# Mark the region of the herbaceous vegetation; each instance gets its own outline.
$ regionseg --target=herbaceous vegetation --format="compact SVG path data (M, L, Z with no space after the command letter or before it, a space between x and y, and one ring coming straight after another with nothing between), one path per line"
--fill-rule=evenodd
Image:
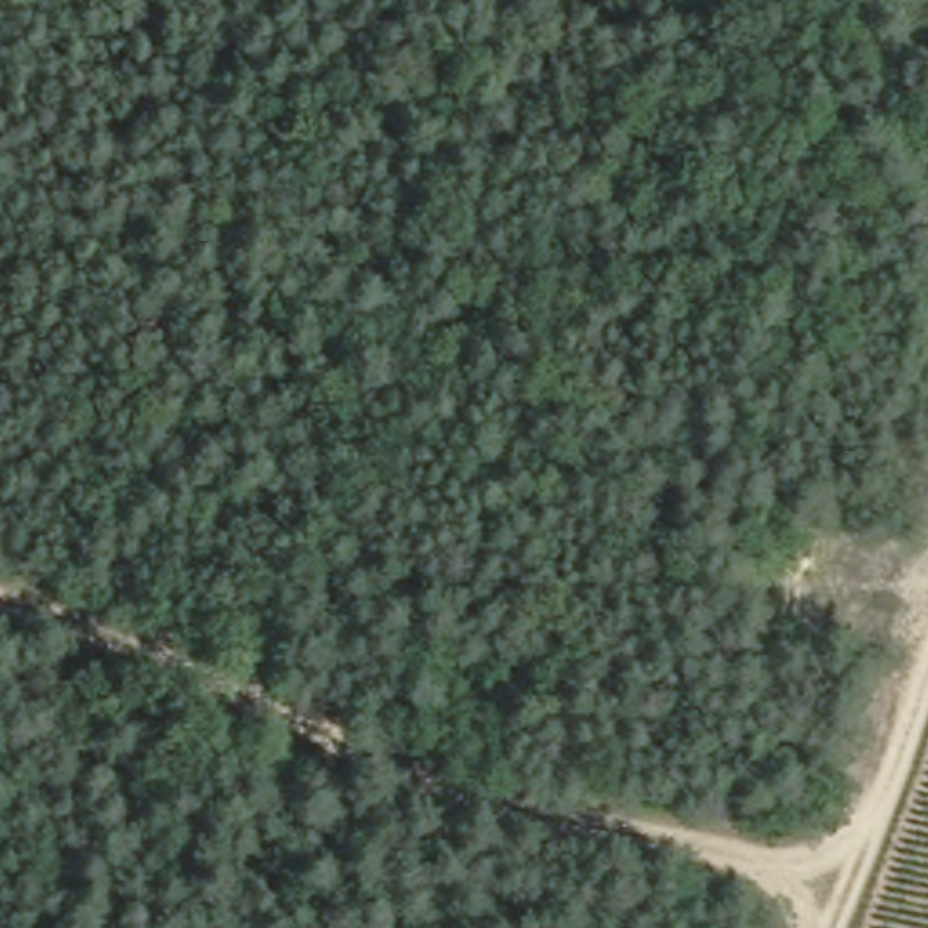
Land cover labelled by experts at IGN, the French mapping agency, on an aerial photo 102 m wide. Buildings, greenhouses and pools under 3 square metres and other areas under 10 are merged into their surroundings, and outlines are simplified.
M848 772L848 779L863 790L866 783L874 783L881 769L885 747L877 743L874 750L866 750Z
M834 631L841 620L856 627L863 638L895 638L892 649L881 653L881 663L892 674L874 689L866 707L877 736L888 743L910 660L928 634L928 537L914 533L906 540L859 544L852 533L819 537L779 584L787 595L801 598L798 609L816 627Z

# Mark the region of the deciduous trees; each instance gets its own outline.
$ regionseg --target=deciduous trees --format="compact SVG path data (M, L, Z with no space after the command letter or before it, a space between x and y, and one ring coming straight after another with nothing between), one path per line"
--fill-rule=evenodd
M305 587L326 584L323 540L337 529L334 515L319 515L305 529L276 537L279 551L297 551L294 576Z
M326 497L334 515L341 508L363 508L370 482L388 482L395 475L410 446L406 424L381 424L373 431L373 442L359 453L355 468L341 475Z
M439 750L446 761L446 783L464 787L471 794L515 794L515 772L508 769L508 758L518 740L518 714L497 714L493 703L475 703L468 682L453 671L453 645L431 642L421 663L421 678L439 682L446 689L446 703L413 703L395 711L392 721L381 725L388 754L395 747L410 747L417 754Z
M754 504L743 526L729 526L729 540L743 544L740 555L758 562L754 576L761 584L779 584L819 537L812 526L790 526L783 537L776 537L769 529L772 504Z
M228 743L228 714L218 703L218 696L203 696L196 685L189 696L189 718L174 725L145 761L149 779L192 783L207 772L210 754Z
M131 627L138 638L156 634L160 645L189 649L192 660L214 663L218 671L236 674L243 685L254 678L254 667L261 660L261 638L254 605L272 595L272 569L265 562L243 569L239 576L221 576L218 569L189 573L181 562L167 562L149 587L152 595L145 602L127 605Z
M852 801L863 790L848 779L848 772L834 769L827 790L819 790L816 801L790 801L787 816L750 823L740 837L758 845L819 841L848 823Z
M526 384L529 402L598 402L591 377L576 363L555 359L537 363Z
M359 73L348 65L315 87L301 87L294 138L323 134L323 105L344 102L359 91Z
M667 87L660 91L645 76L620 91L620 127L631 138L653 134L656 120L667 120L685 105L703 105L721 94L736 94L736 109L721 116L714 131L692 127L682 138L689 145L689 152L682 156L682 185L703 192L711 199L711 210L703 221L682 225L674 243L638 254L638 297L656 297L656 308L663 315L682 319L689 312L689 301L711 290L714 279L729 272L729 265L765 257L779 225L805 218L808 228L798 232L798 250L783 250L779 265L765 272L769 290L787 294L787 323L823 341L834 355L859 348L866 341L863 290L914 272L917 239L906 236L906 214L914 210L914 203L906 199L903 185L928 170L928 94L914 123L881 116L877 123L863 123L856 134L848 134L848 127L837 120L841 105L874 102L885 83L881 54L870 33L870 25L888 22L877 0L736 0L714 15L714 44L700 54L696 69L674 69Z

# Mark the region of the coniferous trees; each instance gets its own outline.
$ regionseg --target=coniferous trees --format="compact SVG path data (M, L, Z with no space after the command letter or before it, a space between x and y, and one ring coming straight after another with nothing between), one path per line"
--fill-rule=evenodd
M881 54L885 83L874 102L841 105L837 120L848 127L848 134L856 134L863 123L877 123L881 116L914 123L928 94L928 0L877 0L888 22L870 25L870 33Z
M729 540L729 526L743 526L754 504L772 504L769 529L776 537L783 537L790 526L812 526L819 537L852 533L859 544L906 540L914 533L928 537L928 170L903 185L906 199L914 203L914 210L906 214L906 236L917 239L914 272L863 290L866 341L859 348L834 355L823 341L787 323L787 294L769 290L765 272L779 265L783 250L798 250L798 232L808 228L805 218L779 225L765 257L729 265L729 272L714 279L711 290L689 301L689 312L682 319L663 315L656 308L656 297L638 297L638 254L674 243L682 225L703 221L711 210L711 199L703 192L682 185L682 156L689 152L689 145L682 138L692 127L714 131L721 116L736 109L736 94L721 94L703 105L685 105L667 120L656 120L653 134L631 138L620 127L620 91L645 76L660 91L667 87L674 69L696 69L700 54L714 44L714 15L736 0L0 0L0 928L790 928L794 906L787 899L765 895L754 881L696 859L692 848L682 848L663 837L645 837L624 827L627 812L642 812L671 816L674 823L692 830L740 837L750 823L787 816L790 801L816 801L819 790L827 790L834 769L848 772L866 750L874 750L877 743L885 747L888 743L877 736L866 707L874 689L892 674L881 663L881 653L892 649L895 638L863 638L856 627L841 620L834 631L816 627L798 609L801 598L787 595L779 584L761 584L754 576L758 562L740 555L743 544ZM359 73L359 91L344 102L323 105L323 134L294 138L301 87L315 87L348 65ZM591 377L598 402L529 402L526 384L537 363L555 359L576 363ZM373 431L381 424L406 424L410 446L395 475L388 482L370 482L363 508L341 508L334 515L326 497L341 475L355 468L359 453L373 442ZM294 576L297 551L279 551L276 537L305 529L319 515L334 515L337 529L323 540L326 584L305 587ZM337 721L341 743L334 754L312 743L308 736L290 740L286 718L261 714L250 696L218 696L218 703L228 714L228 743L210 754L207 772L192 783L149 779L145 761L174 725L189 718L189 696L196 685L189 671L174 663L156 663L160 645L156 634L138 638L134 649L112 649L105 642L76 645L76 631L62 624L62 616L47 613L47 605L58 598L69 609L94 609L116 598L120 609L105 624L131 627L127 605L145 602L152 595L149 587L167 562L181 562L189 573L218 569L221 576L239 576L243 569L265 562L272 569L272 595L254 605L261 638L261 660L254 667L254 678L268 689L268 700L312 707L319 718ZM493 703L497 714L518 714L518 740L508 758L508 769L515 772L515 794L471 794L464 787L446 783L446 761L439 750L417 754L410 747L395 747L388 754L381 725L392 721L395 711L413 703L446 703L446 689L439 682L421 678L421 663L431 642L453 645L453 671L468 682L475 703Z

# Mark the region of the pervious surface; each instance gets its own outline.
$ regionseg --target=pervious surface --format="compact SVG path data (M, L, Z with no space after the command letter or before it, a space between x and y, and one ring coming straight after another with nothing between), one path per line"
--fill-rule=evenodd
M754 881L765 895L787 899L794 906L790 928L848 928L928 718L928 634L910 660L888 743L885 747L881 769L874 783L866 783L863 790L852 801L848 823L819 841L758 845L740 837L692 830L674 823L671 816L642 812L627 812L624 827L645 837L663 837L682 848L692 848L696 859Z
M196 685L203 696L218 696L250 696L261 714L286 718L290 740L308 736L312 743L334 754L341 743L337 721L319 718L312 707L268 700L268 689L254 678L243 685L236 674L218 671L214 663L192 660L189 649L160 645L156 663L174 663L189 671Z
M94 609L69 609L58 598L47 605L47 613L62 616L62 624L76 631L76 645L105 642L112 649L134 649L138 638L131 627L105 624L120 609L116 598Z

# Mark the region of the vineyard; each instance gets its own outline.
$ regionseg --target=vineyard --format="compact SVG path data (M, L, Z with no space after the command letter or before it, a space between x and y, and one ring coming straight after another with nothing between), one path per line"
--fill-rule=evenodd
M928 928L928 718L848 928Z

